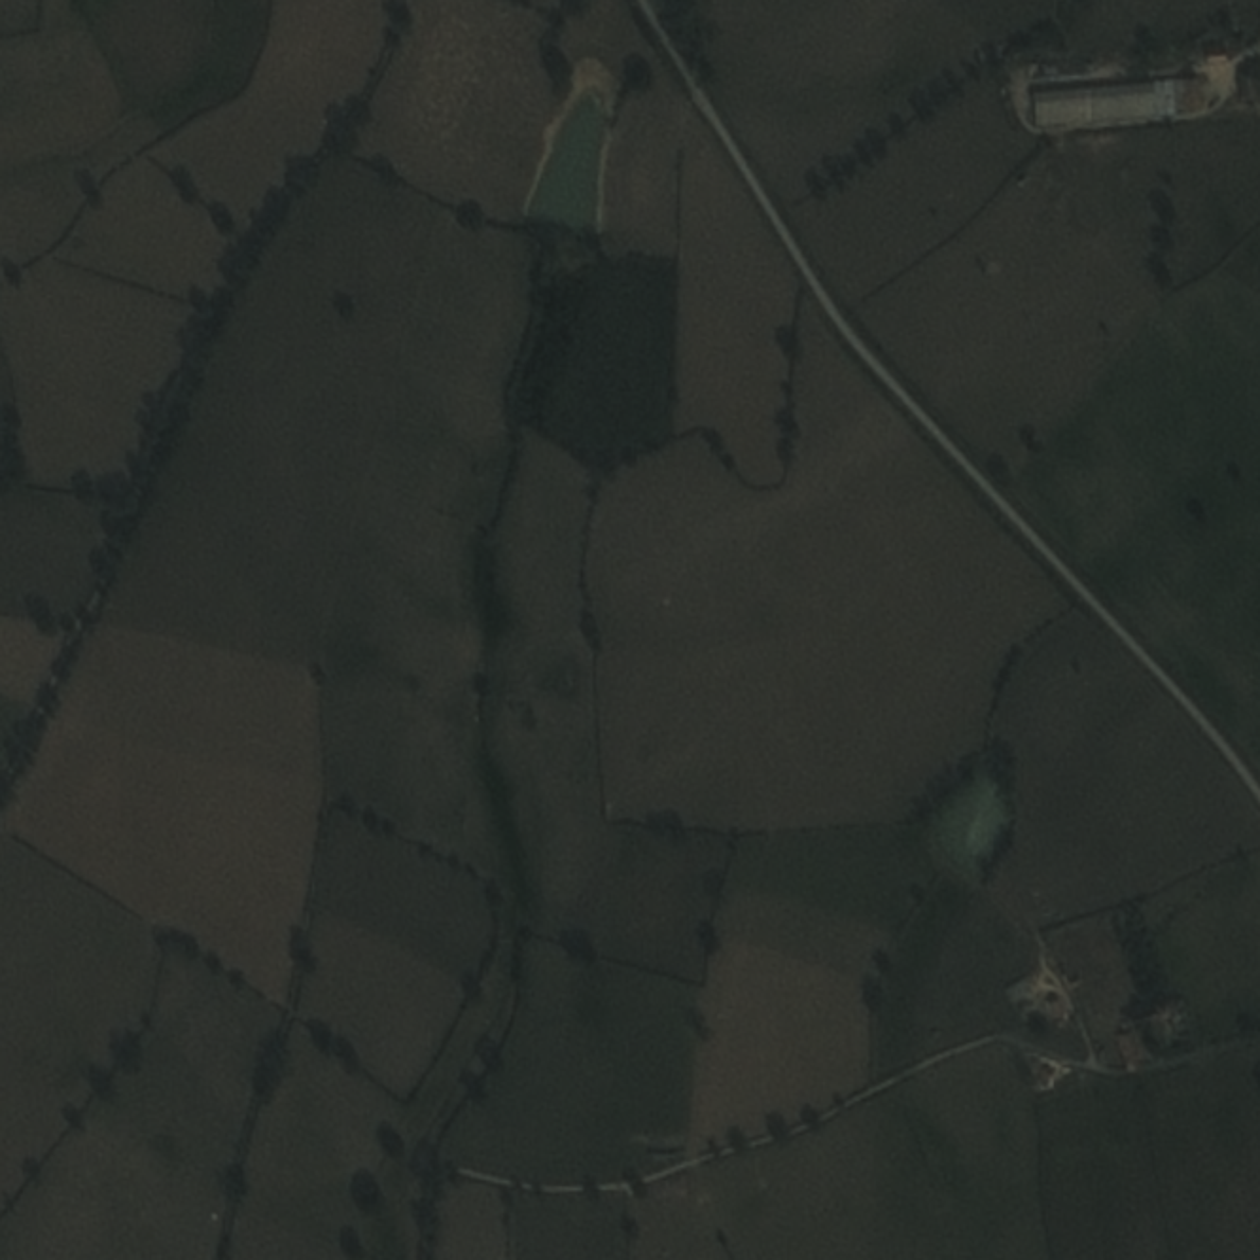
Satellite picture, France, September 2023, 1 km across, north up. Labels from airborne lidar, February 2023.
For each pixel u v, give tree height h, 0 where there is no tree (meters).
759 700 0
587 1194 10
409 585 0
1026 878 0
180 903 0
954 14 0
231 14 0
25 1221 0
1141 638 0
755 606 0
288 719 0
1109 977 0
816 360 0
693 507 0
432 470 0
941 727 0
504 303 0
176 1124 0
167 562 0
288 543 0
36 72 0
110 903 0
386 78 0
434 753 0
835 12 0
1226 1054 0
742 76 0
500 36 0
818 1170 0
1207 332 0
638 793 0
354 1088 0
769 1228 0
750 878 0
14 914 0
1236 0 0
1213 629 0
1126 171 0
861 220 0
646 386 0
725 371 0
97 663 0
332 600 0
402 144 0
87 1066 0
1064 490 0
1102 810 0
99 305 0
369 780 0
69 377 0
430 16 0
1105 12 0
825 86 0
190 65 0
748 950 0
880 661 0
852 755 0
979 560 0
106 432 0
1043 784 0
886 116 0
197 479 0
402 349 0
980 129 0
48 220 0
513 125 0
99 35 0
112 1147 0
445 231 0
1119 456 0
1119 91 0
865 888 0
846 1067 0
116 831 0
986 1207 0
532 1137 0
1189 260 0
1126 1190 0
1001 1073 0
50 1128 0
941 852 0
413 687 0
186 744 0
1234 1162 0
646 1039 0
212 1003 0
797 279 0
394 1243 0
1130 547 0
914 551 0
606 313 0
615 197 0
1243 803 0
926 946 0
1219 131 0
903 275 0
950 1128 0
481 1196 0
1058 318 0
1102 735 0
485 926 0
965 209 0
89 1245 0
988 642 0
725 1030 0
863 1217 0
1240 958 0
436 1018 0
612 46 0
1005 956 0
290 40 0
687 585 0
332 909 0
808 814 0
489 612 0
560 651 0
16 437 12
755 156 0
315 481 0
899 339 0
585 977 0
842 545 0
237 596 0
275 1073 16
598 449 0
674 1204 0
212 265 0
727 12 0
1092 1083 0
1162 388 0
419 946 0
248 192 0
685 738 0
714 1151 10
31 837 0
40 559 0
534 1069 0
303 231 0
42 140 0
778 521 0
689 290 0
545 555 0
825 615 0
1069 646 0
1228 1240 0
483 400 0
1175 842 0
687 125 0
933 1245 0
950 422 0
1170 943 0
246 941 0
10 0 0
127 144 0
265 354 0
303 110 0
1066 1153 0
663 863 0
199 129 0
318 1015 0
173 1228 0
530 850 0
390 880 0
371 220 0
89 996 0
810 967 0
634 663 0
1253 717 0
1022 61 0
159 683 0
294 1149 0
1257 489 0
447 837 0
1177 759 0
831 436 0
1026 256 0
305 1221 0
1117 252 0
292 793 0
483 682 11
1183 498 0
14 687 0
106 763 0
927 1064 0
